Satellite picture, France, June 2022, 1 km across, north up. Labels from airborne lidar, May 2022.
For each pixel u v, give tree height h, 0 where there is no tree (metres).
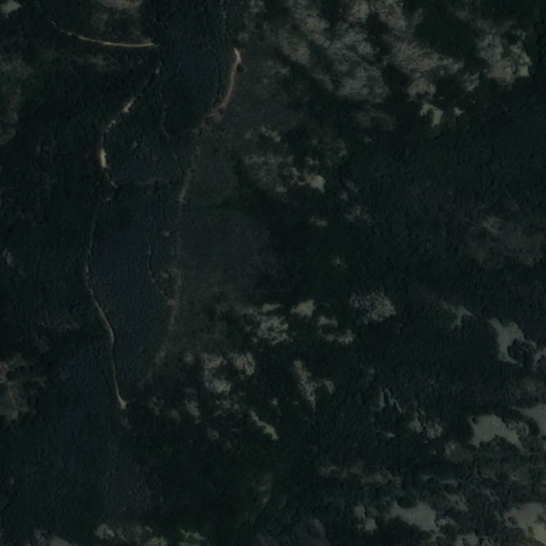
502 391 8
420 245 24
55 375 15
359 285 17
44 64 10
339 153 11
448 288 19
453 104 8
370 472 8
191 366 8
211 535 15
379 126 13
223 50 16
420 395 12
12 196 15
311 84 12
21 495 10
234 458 18
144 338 16
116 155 11
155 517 13
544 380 9
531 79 24
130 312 17
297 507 13
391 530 10
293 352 11
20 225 17
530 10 13
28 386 11
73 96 9
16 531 9
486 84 18
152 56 23
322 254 11
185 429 17
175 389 11
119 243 15
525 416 7
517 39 18
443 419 9
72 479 10
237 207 13
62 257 11
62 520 16
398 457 13
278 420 8
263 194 14
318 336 12
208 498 22
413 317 22
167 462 16
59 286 17
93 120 6
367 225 10
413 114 16
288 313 12
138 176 18
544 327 15
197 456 18
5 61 8
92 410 13
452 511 7
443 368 16
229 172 0
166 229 15
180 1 22
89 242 14
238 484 21
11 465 15
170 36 15
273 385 22
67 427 15
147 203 10
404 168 18
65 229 10
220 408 12
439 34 13
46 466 14
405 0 11
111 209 11
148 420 13
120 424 11
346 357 17
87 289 14
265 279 10
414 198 10
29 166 9
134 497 15
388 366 11
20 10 12
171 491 15
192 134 9
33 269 9
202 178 0
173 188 10
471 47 8
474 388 11
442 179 10
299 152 16
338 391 19
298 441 22
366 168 18
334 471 6
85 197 20
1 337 16
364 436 12
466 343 12
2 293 16
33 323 13
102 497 8
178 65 15
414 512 0
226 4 11
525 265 8
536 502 0
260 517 13
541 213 6
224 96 11
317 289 16
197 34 15
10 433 11
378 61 10
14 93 0
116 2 0
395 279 17
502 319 15
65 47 17
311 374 6
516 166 16
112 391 14
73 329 6
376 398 12
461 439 9
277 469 17
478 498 9
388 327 25
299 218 16
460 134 23
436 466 22
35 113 12
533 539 0
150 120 12
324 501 12
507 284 20
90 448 13
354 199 12
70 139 16
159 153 14
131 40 9
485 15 9
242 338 12
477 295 23
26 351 11
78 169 19
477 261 13
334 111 23
